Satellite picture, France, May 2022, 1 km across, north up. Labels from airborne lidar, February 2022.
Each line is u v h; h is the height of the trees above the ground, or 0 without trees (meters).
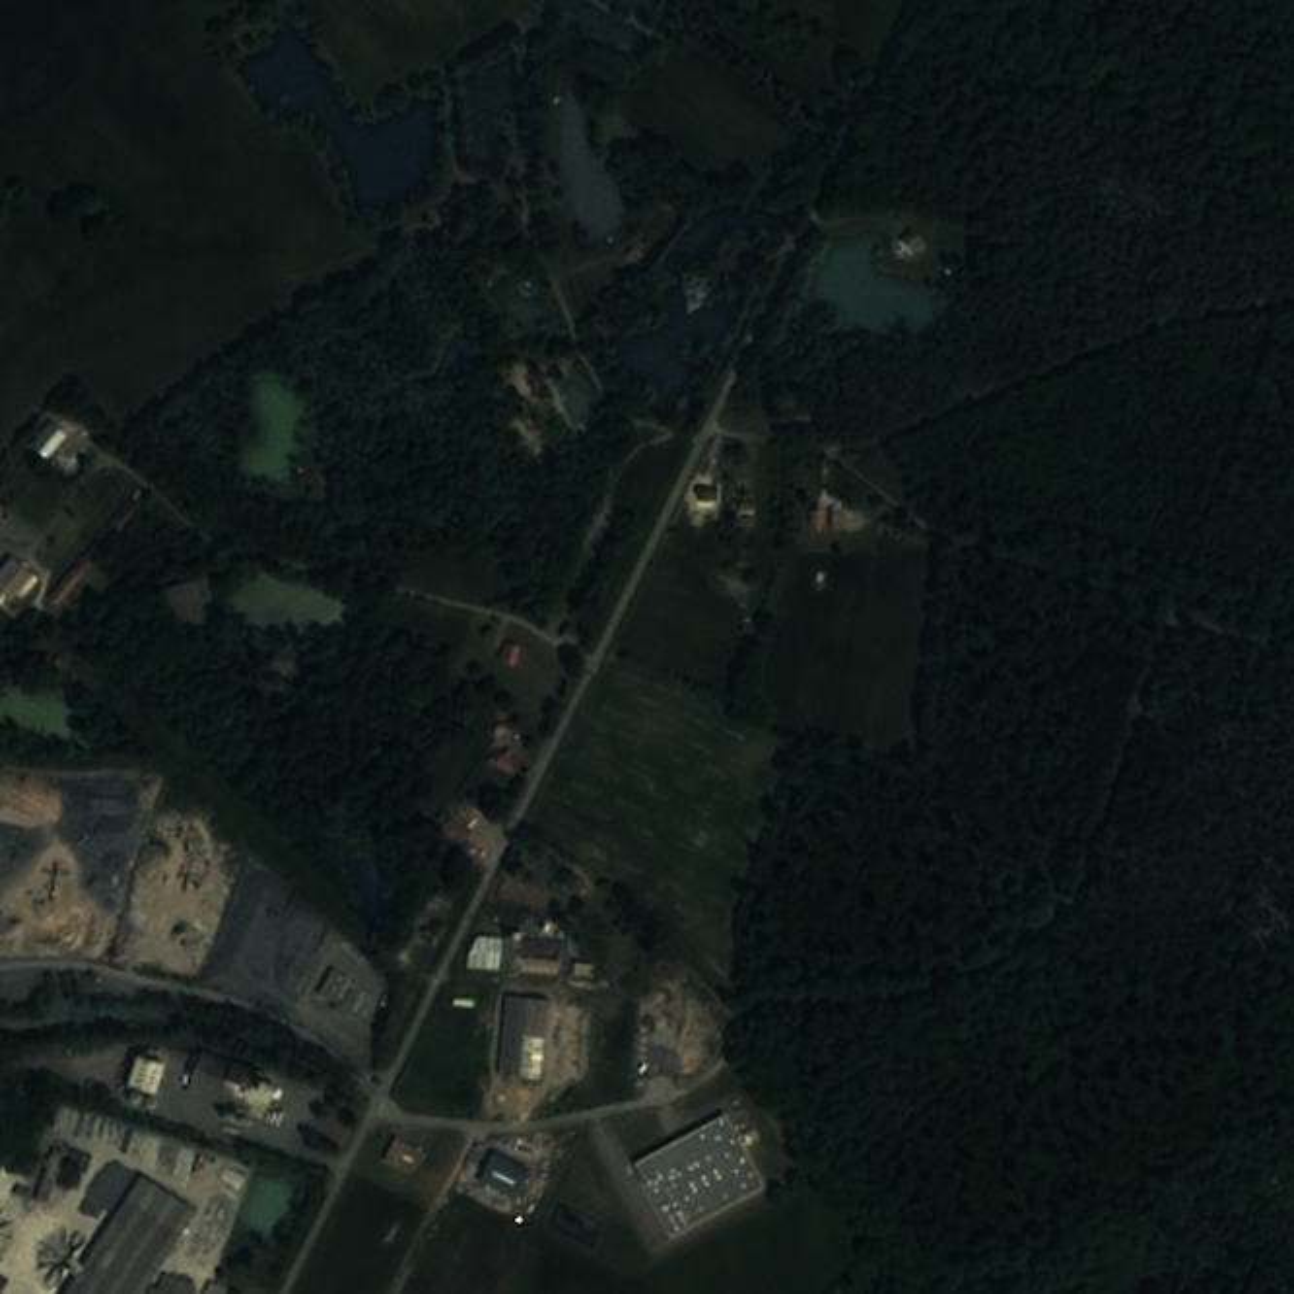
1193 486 17
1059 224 25
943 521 21
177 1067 0
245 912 0
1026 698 7
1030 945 20
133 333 0
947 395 19
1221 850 16
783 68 0
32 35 0
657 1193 0
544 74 19
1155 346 18
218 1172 0
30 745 10
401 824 27
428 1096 0
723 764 0
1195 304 22
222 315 0
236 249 0
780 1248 0
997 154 28
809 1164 19
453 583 0
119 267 0
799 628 0
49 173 0
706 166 0
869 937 11
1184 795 16
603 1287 0
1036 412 14
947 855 26
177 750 0
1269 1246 12
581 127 0
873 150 28
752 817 0
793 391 21
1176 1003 9
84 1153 0
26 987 0
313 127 9
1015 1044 26
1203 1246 18
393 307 20
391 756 25
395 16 0
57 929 0
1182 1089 24
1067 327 28
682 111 0
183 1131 10
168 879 0
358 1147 0
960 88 26
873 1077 24
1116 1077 26
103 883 0
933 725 21
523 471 23
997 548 26
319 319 23
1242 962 20
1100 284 29
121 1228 0
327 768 23
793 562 0
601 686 0
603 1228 0
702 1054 0
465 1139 0
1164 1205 20
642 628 0
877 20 0
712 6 10
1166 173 22
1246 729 24
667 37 18
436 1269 0
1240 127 25
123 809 0
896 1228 22
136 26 0
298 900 0
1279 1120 24
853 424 16
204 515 18
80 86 0
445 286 20
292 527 27
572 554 22
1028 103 30
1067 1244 16
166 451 24
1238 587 25
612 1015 0
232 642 19
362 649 32
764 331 18
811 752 22
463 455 20
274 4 14
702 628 0
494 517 22
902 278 0
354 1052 0
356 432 17
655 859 0
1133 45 29
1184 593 23
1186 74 29
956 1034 23
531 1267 0
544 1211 0
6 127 0
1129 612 27
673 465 0
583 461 17
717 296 7
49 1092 16
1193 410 16
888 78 19
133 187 0
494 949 0
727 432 0
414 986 0
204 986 0
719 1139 0
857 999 20
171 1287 0
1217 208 24
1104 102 30
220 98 0
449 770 0
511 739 0
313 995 0
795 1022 15
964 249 0
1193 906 14
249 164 0
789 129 0
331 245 0
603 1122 0
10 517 0
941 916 27
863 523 0
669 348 0
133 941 0
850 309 0
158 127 0
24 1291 0
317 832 28
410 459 13
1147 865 18
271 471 0
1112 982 24
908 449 16
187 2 0
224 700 28
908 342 20
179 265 0
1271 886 25
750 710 16
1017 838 7
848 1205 20
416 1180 0
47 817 0
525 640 0
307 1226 0
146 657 30
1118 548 29
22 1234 0
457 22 0
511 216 17
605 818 0
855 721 0
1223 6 29
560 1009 0
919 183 22
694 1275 0
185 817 0
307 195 0
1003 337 20
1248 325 16
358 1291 0
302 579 13
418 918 0
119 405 0
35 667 26
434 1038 0
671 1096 0
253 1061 12
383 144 0
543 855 8
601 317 13
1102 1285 5
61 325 0
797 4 0
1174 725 7
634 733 0
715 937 0
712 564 0
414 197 15
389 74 0
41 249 0
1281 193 27
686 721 0
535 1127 0
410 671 29
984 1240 27
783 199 22
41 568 0
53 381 0
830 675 0
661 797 0
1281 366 26
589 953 0
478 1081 0
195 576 12
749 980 15
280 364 22
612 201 0
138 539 6
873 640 0
